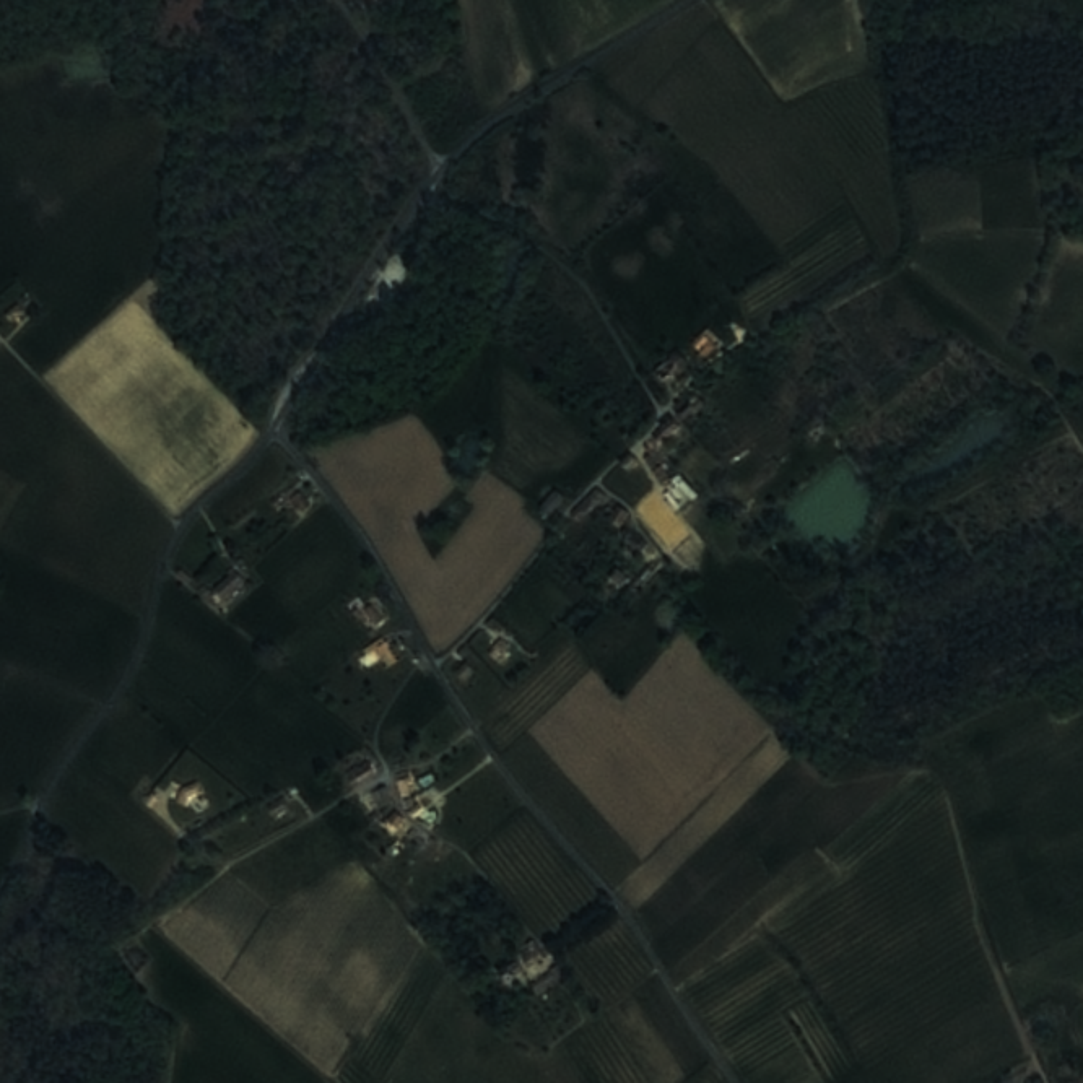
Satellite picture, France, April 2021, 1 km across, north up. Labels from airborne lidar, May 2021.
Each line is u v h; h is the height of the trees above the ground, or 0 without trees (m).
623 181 0
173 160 9
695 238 0
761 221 0
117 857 0
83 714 0
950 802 0
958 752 0
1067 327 0
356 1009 0
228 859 0
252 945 0
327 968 0
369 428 18
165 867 0
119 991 24
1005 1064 0
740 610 0
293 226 21
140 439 0
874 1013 0
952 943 0
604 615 12
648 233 0
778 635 0
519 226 9
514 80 0
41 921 17
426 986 0
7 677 0
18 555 0
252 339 20
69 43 19
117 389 0
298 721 0
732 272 0
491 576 0
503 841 0
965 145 23
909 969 0
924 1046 0
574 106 0
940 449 9
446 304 22
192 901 0
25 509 0
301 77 24
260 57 19
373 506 0
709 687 0
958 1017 0
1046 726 0
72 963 8
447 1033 0
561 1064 0
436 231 18
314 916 0
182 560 0
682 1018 0
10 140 0
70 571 0
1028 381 0
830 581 27
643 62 0
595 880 0
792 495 8
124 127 0
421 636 0
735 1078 0
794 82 0
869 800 0
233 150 16
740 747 0
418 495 0
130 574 0
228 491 0
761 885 0
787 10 0
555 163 0
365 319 10
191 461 0
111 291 0
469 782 0
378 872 0
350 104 14
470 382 0
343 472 0
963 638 24
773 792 0
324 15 8
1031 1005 0
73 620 0
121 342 0
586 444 0
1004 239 0
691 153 0
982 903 0
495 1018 12
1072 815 0
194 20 0
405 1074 0
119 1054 11
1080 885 0
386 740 0
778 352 10
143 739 0
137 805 0
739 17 0
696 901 0
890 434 6
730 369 12
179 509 0
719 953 0
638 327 0
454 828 0
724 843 0
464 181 8
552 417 0
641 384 7
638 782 0
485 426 0
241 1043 0
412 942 0
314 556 0
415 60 19
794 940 0
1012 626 22
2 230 0
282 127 9
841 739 12
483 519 0
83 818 0
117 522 0
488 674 0
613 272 0
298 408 16
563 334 0
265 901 0
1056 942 0
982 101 26
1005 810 0
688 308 0
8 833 0
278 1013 0
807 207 0
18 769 0
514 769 0
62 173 0
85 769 0
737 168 0
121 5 23
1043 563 17
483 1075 0
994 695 13
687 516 0
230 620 0
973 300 0
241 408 9
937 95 22
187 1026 0
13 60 17
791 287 0
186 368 0
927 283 0
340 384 23
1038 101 25
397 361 22
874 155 0
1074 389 20
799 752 17
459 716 0
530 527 0
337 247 18
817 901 0
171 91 24
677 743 0
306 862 0
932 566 25
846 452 7
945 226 0
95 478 0
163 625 0
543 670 0
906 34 18
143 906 11
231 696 0
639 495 0
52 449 0
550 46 0
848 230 0
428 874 0
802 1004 0
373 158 15
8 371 0
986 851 0
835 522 0
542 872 0
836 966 0
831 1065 0
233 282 23
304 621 0
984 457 10
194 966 0
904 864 0
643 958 0
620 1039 0
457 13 20
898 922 0
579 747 0
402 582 0
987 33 19
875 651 18
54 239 0
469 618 0
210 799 0
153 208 0
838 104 0
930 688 23
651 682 0
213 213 16
